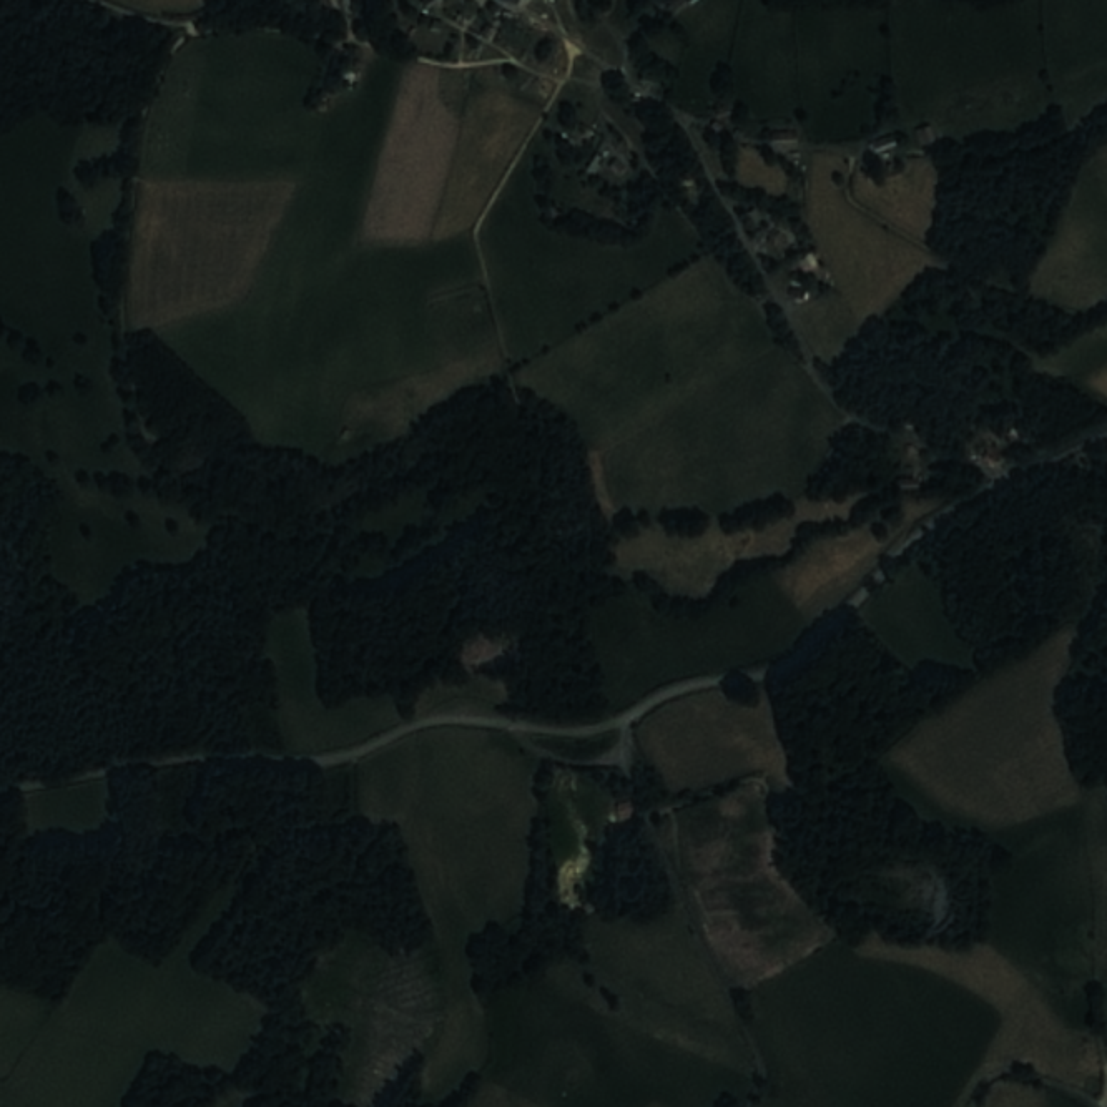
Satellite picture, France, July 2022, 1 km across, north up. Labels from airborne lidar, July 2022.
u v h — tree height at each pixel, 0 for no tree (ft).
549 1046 0
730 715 0
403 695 68
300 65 0
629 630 0
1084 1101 0
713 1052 0
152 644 83
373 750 0
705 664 0
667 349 0
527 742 0
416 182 0
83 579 0
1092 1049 0
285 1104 62
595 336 0
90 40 60
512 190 0
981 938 32
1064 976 0
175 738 89
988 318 35
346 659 47
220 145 0
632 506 0
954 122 0
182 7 0
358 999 0
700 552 0
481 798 0
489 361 0
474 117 0
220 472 59
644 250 0
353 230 0
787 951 0
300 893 67
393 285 0
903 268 0
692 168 46
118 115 61
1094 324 44
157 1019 0
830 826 93
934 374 58
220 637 69
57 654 72
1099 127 45
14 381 0
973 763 0
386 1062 0
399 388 0
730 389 0
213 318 0
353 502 40
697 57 0
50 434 0
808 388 0
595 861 34
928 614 0
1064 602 72
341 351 0
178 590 73
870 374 65
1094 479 50
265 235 0
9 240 0
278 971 82
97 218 0
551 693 75
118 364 48
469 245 0
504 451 68
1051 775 0
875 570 0
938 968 0
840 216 0
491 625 76
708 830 0
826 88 0
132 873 79
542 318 0
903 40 0
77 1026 0
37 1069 0
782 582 0
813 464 0
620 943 0
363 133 0
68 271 0
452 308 0
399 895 77
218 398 35
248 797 84
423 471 52
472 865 0
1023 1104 0
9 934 94
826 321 0
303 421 0
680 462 0
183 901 71
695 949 0
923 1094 0
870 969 0
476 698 0
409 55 49
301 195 0
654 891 76
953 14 0
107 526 0
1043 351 55
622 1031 0
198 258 0
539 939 56
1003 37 0
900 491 65
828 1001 0
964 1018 0
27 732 79
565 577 60
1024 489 71
